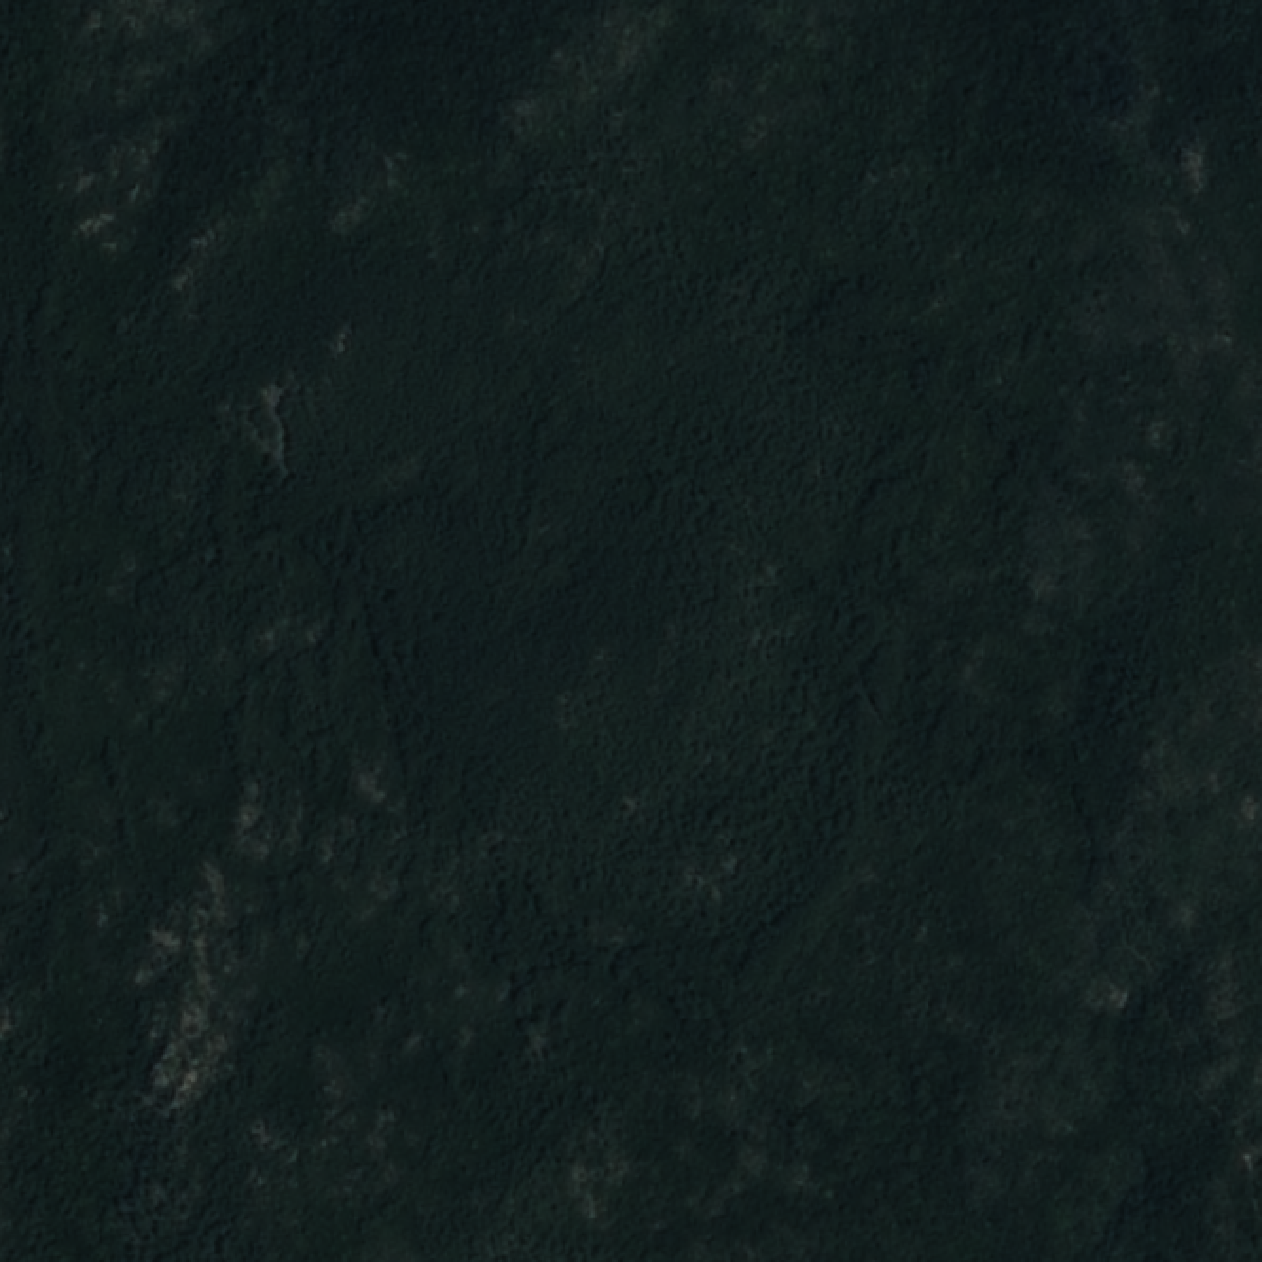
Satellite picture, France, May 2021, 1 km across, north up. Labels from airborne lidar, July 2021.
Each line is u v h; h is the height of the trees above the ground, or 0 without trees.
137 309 10
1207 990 6
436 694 15
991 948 6
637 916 8
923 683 15
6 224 8
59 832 11
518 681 12
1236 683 7
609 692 13
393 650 20
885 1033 8
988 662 8
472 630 13
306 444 13
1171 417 7
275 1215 7
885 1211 10
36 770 6
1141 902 5
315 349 16
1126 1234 7
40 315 20
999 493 20
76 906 12
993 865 10
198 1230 14
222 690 12
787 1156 6
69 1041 8
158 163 6
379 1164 8
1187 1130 9
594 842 13
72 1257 11
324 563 18
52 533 9
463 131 7
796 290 16
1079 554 7
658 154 5
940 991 8
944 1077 13
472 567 14
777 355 15
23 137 12
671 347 12
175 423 10
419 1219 8
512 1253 11
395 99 7
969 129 12
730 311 12
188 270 6
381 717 9
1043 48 10
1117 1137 9
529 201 13
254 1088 14
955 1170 9
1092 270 6
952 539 9
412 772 18
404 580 15
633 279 14
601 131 7
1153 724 7
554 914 15
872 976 8
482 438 12
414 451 11
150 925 9
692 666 15
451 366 12
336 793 6
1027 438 19
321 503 14
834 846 15
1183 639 6
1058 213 7
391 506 14
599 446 11
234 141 10
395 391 11
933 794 13
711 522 16
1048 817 7
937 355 10
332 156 10
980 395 6
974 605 7
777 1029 8
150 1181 12
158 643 12
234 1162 15
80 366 7
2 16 11
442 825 7
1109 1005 6
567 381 12
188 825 11
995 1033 8
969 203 9
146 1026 7
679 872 13
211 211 9
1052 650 7
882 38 7
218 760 7
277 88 9
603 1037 7
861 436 10
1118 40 9
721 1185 10
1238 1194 6
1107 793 6
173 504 14
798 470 12
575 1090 8
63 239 7
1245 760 8
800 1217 10
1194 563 8
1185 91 10
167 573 12
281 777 6
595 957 22
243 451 6
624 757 10
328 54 8
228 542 22
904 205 13
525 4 8
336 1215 8
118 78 6
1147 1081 7
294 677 18
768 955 21
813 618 14
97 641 9
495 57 8
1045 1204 8
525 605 10
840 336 24
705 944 7
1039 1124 7
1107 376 6
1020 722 10
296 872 12
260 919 8
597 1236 9
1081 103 7
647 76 8
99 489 13
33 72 12
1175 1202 10
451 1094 9
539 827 10
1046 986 6
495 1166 10
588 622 10
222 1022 6
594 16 7
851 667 12
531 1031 23
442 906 10
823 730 9
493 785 11
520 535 8
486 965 6
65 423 8
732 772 11
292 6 13
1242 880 6
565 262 9
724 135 7
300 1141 12
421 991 8
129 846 14
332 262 12
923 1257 11
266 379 14
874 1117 13
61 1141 15
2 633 13
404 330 11
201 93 6
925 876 9
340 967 7
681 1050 12
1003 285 6
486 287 11
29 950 6
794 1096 9
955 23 9
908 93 7
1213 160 6
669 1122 9
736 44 6
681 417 9
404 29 10
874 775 10
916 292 6
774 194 7
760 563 13
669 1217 9
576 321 13
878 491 22
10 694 8
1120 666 7
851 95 9
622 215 13
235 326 15
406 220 8
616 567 13
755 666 17
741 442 13
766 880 10
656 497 12
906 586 11
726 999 9
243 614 12
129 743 7
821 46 5
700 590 13
